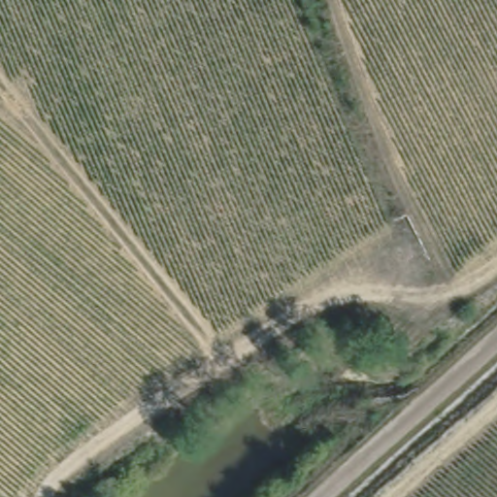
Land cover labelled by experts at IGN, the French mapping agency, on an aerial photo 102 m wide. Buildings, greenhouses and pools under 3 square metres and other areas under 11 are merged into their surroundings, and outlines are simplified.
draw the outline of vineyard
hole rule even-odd
[[[423,481],[423,485],[417,487],[408,497],[497,497],[497,419],[481,431],[476,441],[468,443],[443,466],[439,466],[427,481]]]
[[[192,334],[179,320],[169,315],[167,305],[153,295],[153,289],[146,280],[138,276],[134,264],[120,254],[120,245],[111,235],[105,233],[103,225],[93,215],[89,215],[82,198],[78,198],[70,190],[66,179],[62,179],[50,167],[49,159],[43,155],[43,151],[19,138],[10,126],[6,126],[0,120],[0,497],[43,497],[43,491],[47,489],[45,478],[52,472],[52,468],[64,462],[78,448],[80,441],[89,441],[89,437],[95,437],[103,429],[111,427],[122,415],[130,414],[132,410],[140,410],[142,398],[138,390],[146,375],[155,369],[159,371],[161,367],[173,365],[173,377],[181,379],[190,375],[200,365],[204,365],[206,357],[202,355],[200,346],[192,338]]]
[[[282,315],[283,309],[276,303],[276,299],[280,297],[295,297],[295,301],[299,301],[303,297],[309,297],[316,289],[322,289],[324,285],[340,280],[355,285],[382,282],[388,285],[425,287],[433,283],[452,282],[456,272],[460,272],[466,280],[474,280],[472,270],[476,270],[485,260],[497,256],[497,0],[326,0],[330,8],[330,21],[334,25],[342,54],[351,72],[349,97],[359,101],[355,109],[351,109],[351,113],[346,113],[346,109],[336,99],[334,85],[326,72],[322,54],[313,49],[315,37],[307,29],[309,17],[305,14],[297,19],[297,8],[293,6],[293,0],[0,0],[0,82],[4,78],[17,78],[19,70],[27,68],[27,72],[35,80],[35,85],[29,89],[29,93],[41,122],[49,124],[52,134],[64,146],[68,146],[74,161],[82,165],[87,179],[97,184],[99,192],[109,200],[109,204],[124,219],[124,223],[130,225],[134,235],[144,243],[144,247],[153,254],[153,258],[165,268],[165,272],[175,282],[179,283],[179,287],[188,295],[190,303],[198,307],[202,316],[212,324],[214,342],[229,340],[235,344],[245,336],[243,328],[247,322],[258,320],[266,313],[270,318]]]

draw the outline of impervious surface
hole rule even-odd
[[[458,386],[468,381],[481,365],[485,365],[497,353],[497,324],[491,330],[487,330],[462,357],[458,357],[437,381],[431,382],[423,392],[412,398],[400,410],[400,414],[392,417],[373,437],[369,437],[365,443],[355,448],[307,497],[336,497],[361,472],[365,472],[382,452],[386,452],[396,441],[400,441],[410,429],[414,429],[425,415],[431,414],[448,394],[452,394]]]

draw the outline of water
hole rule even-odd
[[[315,431],[311,433],[295,429],[289,423],[274,431],[270,425],[264,423],[262,410],[254,410],[235,425],[233,431],[223,439],[214,456],[206,458],[204,462],[186,462],[179,458],[169,470],[169,474],[163,480],[153,481],[142,497],[256,497],[260,485],[270,485],[272,480],[291,481],[297,466],[303,464],[305,454],[313,454],[320,443],[332,439],[330,429],[326,429],[322,423],[318,423]]]

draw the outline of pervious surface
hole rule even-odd
[[[443,466],[468,443],[476,441],[481,431],[497,419],[497,390],[476,412],[470,412],[464,419],[454,423],[441,435],[439,441],[423,450],[400,476],[386,483],[375,497],[408,497],[417,487],[423,485],[423,481],[427,481],[439,466]]]
[[[452,282],[433,283],[425,287],[388,285],[382,282],[355,285],[340,280],[324,285],[322,289],[316,289],[309,297],[303,297],[299,301],[295,301],[295,297],[280,297],[276,299],[276,303],[283,309],[282,315],[270,318],[266,313],[258,320],[247,322],[243,328],[245,336],[235,344],[229,340],[214,342],[212,324],[202,316],[198,307],[190,303],[188,295],[179,287],[179,283],[175,282],[165,272],[165,268],[153,258],[153,254],[144,247],[144,243],[134,235],[130,225],[124,223],[124,219],[109,204],[109,200],[99,192],[97,184],[87,179],[82,165],[74,161],[68,146],[64,146],[52,134],[49,124],[41,122],[29,93],[29,89],[35,85],[35,80],[27,72],[27,68],[19,70],[17,78],[4,78],[0,82],[0,120],[6,126],[10,126],[19,138],[43,151],[43,155],[49,159],[50,167],[62,179],[66,179],[70,190],[78,198],[82,198],[89,215],[93,215],[103,225],[105,233],[111,235],[120,245],[120,254],[134,264],[138,276],[146,280],[153,289],[153,295],[167,305],[169,315],[179,320],[192,334],[192,338],[200,346],[202,355],[206,357],[204,365],[200,365],[190,375],[181,379],[173,377],[173,365],[161,367],[159,371],[155,369],[146,375],[138,390],[142,398],[140,410],[132,410],[130,414],[122,415],[111,427],[103,429],[95,437],[89,437],[89,441],[80,441],[78,448],[64,462],[52,468],[52,472],[45,478],[47,489],[43,491],[43,497],[54,497],[62,481],[74,478],[87,466],[89,460],[93,460],[101,450],[111,447],[120,437],[138,427],[144,419],[149,419],[155,412],[167,408],[179,410],[182,402],[188,396],[192,396],[204,382],[214,381],[223,373],[229,373],[233,367],[239,365],[239,361],[245,355],[260,348],[272,336],[276,336],[285,332],[287,328],[291,328],[291,324],[297,324],[305,316],[320,311],[332,299],[336,299],[338,303],[390,303],[398,309],[406,309],[408,303],[429,305],[433,309],[439,303],[448,303],[456,297],[468,295],[497,276],[497,256],[485,260],[476,270],[472,270],[474,280],[466,280],[460,272],[456,272]]]

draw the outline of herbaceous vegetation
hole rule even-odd
[[[454,423],[464,419],[470,412],[476,412],[497,390],[497,353],[485,365],[481,365],[468,381],[458,386],[452,394],[448,394],[431,414],[425,415],[414,429],[410,429],[400,441],[396,441],[386,452],[382,452],[365,472],[361,472],[336,497],[375,497],[386,483],[400,476],[423,450],[439,441],[441,435]]]
[[[289,497],[307,497],[355,448],[365,443],[369,437],[373,437],[392,417],[400,414],[400,410],[412,398],[423,392],[431,382],[437,381],[458,357],[462,357],[487,330],[491,330],[497,324],[497,276],[468,295],[474,301],[474,309],[478,309],[478,316],[474,322],[466,322],[452,316],[448,303],[439,303],[433,309],[429,305],[408,303],[406,309],[398,309],[390,303],[338,303],[336,299],[332,299],[320,311],[324,315],[326,326],[332,332],[344,322],[349,322],[355,315],[359,318],[377,318],[386,313],[390,316],[388,326],[394,332],[408,334],[410,353],[417,348],[425,348],[433,340],[441,344],[441,348],[435,353],[421,357],[419,363],[410,363],[408,359],[394,359],[390,367],[382,363],[381,367],[369,369],[367,373],[357,373],[351,371],[342,361],[342,357],[336,353],[336,348],[332,351],[322,349],[320,353],[307,353],[295,348],[293,340],[285,332],[276,336],[287,351],[289,365],[295,369],[291,375],[285,377],[280,367],[274,361],[268,361],[266,353],[260,348],[245,355],[239,361],[239,365],[233,367],[229,373],[223,373],[214,381],[204,382],[192,396],[188,396],[182,402],[179,410],[167,408],[155,412],[149,419],[144,419],[138,427],[120,437],[111,447],[101,450],[93,460],[99,464],[101,470],[105,470],[142,441],[151,439],[161,447],[169,439],[181,437],[186,433],[184,419],[181,417],[184,412],[198,410],[204,400],[215,404],[215,400],[223,398],[227,390],[235,386],[243,386],[243,396],[239,404],[233,404],[233,414],[227,419],[235,425],[254,410],[262,410],[264,423],[270,425],[274,431],[289,423],[295,429],[311,433],[315,431],[318,423],[322,423],[326,429],[330,429],[332,439],[338,439],[338,447],[334,448],[332,456],[324,460],[324,464],[316,468],[315,472],[311,472],[305,485]]]

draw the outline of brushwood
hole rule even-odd
[[[293,6],[297,8],[297,19],[305,14],[309,17],[307,29],[315,37],[313,49],[322,54],[326,72],[334,85],[336,99],[346,109],[346,113],[351,113],[351,109],[355,109],[359,101],[349,97],[351,72],[342,54],[334,25],[330,21],[330,8],[326,0],[293,0]]]

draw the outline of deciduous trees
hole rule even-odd
[[[338,439],[332,439],[320,443],[313,454],[305,454],[303,464],[297,466],[291,481],[272,480],[270,485],[260,485],[256,497],[289,497],[305,485],[311,472],[315,472],[316,468],[324,464],[324,460],[332,456],[334,448],[338,447]]]
[[[448,303],[452,316],[466,322],[474,322],[478,316],[478,309],[474,309],[474,301],[468,295],[456,297]]]
[[[227,390],[223,398],[215,400],[215,404],[204,400],[198,410],[184,412],[181,417],[184,419],[186,433],[181,437],[169,439],[161,447],[151,439],[142,441],[105,470],[101,470],[99,464],[93,460],[89,460],[87,466],[74,478],[62,481],[54,497],[142,497],[153,481],[163,480],[169,474],[169,470],[179,458],[186,462],[204,462],[206,458],[214,456],[223,439],[233,431],[235,425],[227,419],[233,414],[233,404],[239,404],[243,396],[243,386],[235,386]]]
[[[441,344],[433,340],[425,348],[417,348],[410,353],[408,334],[394,332],[388,326],[390,316],[386,313],[377,318],[359,318],[355,315],[349,322],[344,322],[332,332],[326,326],[324,315],[320,311],[305,316],[297,324],[291,324],[291,328],[287,328],[285,332],[293,340],[295,348],[307,353],[320,353],[322,349],[332,351],[336,348],[336,353],[342,357],[342,361],[351,371],[357,373],[367,373],[369,369],[381,367],[382,363],[390,367],[394,359],[408,359],[410,363],[419,363],[421,357],[435,353],[441,348]]]
[[[280,367],[285,377],[291,375],[295,369],[289,365],[287,351],[276,336],[272,336],[260,348],[266,353],[268,361],[274,361]]]

